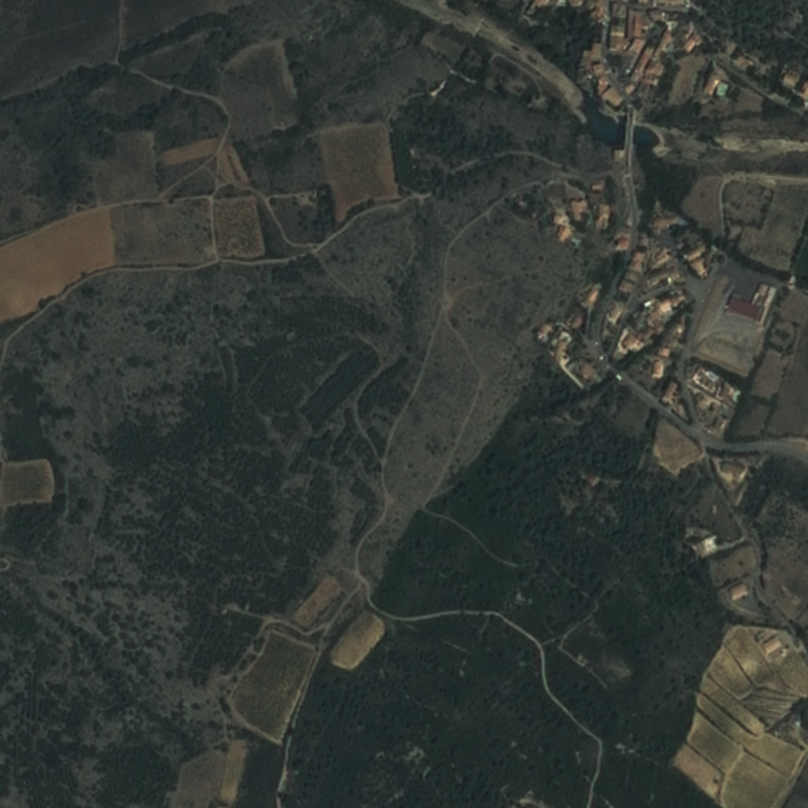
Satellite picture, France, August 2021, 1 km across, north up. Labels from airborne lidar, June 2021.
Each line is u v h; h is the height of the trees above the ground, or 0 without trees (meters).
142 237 0
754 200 0
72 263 0
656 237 6
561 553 12
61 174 11
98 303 0
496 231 0
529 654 10
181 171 0
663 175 7
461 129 10
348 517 0
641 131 0
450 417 0
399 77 0
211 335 0
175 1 0
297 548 5
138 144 0
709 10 14
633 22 0
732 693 0
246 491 5
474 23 0
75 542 0
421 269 0
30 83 0
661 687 0
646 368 6
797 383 0
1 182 0
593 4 0
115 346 0
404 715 8
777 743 0
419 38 7
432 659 7
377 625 0
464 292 0
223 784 0
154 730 0
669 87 10
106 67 6
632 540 7
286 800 8
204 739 0
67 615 0
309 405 7
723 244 10
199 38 0
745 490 0
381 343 0
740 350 0
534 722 9
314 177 0
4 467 0
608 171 0
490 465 10
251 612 6
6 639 0
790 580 0
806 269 0
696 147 0
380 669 0
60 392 0
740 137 0
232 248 0
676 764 0
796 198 0
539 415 7
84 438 0
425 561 0
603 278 8
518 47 0
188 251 0
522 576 7
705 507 0
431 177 11
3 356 0
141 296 0
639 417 0
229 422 6
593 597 9
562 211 0
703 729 0
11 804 0
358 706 7
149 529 5
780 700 0
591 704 9
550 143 7
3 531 0
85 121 7
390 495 0
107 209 0
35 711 6
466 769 7
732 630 0
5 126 0
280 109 0
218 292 0
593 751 0
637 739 9
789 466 0
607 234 8
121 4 0
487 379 0
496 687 6
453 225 0
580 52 7
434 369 0
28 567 0
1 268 0
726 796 0
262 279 0
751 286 0
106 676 8
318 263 7
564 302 7
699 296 0
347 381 11
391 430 0
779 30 8
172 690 0
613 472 8
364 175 0
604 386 12
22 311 0
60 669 0
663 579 9
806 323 0
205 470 6
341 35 0
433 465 0
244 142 7
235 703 0
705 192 0
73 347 0
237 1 0
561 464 13
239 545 6
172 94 6
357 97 0
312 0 0
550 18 11
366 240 0
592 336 8
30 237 0
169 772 5
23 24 0
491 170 8
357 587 0
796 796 0
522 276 0
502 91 9
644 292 6
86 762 0
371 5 10
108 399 0
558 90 0
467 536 0
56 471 6
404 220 0
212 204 0
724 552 6
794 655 0
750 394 7
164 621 0
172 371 0
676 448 0
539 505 8
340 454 10
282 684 0
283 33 0
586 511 10
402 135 7
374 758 7
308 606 0
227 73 0
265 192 0
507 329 0
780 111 6
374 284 0
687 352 0
